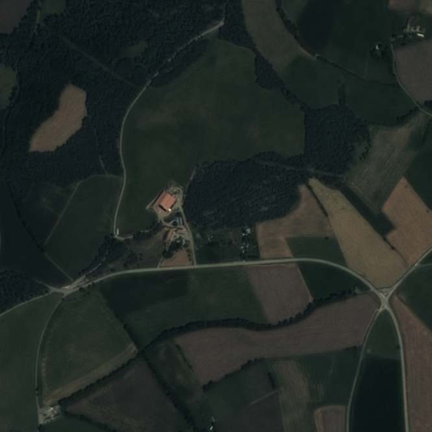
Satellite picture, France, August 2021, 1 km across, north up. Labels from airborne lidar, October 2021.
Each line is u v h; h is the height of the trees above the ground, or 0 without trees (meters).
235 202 8
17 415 0
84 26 16
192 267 0
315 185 0
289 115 0
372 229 0
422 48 0
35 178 15
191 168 0
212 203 9
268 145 0
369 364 0
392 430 0
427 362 0
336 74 0
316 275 0
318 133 14
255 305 0
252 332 0
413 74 0
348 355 0
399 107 0
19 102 19
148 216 0
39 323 0
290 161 13
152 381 0
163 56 10
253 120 0
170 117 0
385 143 0
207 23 10
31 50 26
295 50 0
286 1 0
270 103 0
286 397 0
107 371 0
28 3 0
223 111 0
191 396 0
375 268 0
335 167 10
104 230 0
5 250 0
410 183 0
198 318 0
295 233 0
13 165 15
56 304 0
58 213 0
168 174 0
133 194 0
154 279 0
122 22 13
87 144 10
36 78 18
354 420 0
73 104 0
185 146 0
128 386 0
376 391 0
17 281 20
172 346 0
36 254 0
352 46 0
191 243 0
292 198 10
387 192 0
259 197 8
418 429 0
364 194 0
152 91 0
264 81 8
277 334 0
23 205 11
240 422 0
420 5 0
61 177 15
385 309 0
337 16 0
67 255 0
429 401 0
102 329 0
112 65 12
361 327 0
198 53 9
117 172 9
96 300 0
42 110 24
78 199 0
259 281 0
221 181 9
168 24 14
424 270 0
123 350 0
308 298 0
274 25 0
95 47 16
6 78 0
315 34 0
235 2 14
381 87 0
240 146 0
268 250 0
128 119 0
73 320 0
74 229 0
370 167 0
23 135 10
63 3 0
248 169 12
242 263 0
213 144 0
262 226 0
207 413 0
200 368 0
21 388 0
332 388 0
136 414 0
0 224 0
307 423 0
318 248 0
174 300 0
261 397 0
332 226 0
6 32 0
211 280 0
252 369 0
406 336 0
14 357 0
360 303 0
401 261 0
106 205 0
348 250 0
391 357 0
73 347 0
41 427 11
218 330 0
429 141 0
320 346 0
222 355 0
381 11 0
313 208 0
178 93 0
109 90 13
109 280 0
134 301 0
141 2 19
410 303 0
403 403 0
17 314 0
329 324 0
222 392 0
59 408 0
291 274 0
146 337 0
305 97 0
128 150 0
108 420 0
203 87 0
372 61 0
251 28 0
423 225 0
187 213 11
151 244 0
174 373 0
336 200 0
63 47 12
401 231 0
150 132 0
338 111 12
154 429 0
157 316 0
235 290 0
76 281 0
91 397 0
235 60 0
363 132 11
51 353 0
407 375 0
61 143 0
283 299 0
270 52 0
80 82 18
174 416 0
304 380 0
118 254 10
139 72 13
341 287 0
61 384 0
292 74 0
